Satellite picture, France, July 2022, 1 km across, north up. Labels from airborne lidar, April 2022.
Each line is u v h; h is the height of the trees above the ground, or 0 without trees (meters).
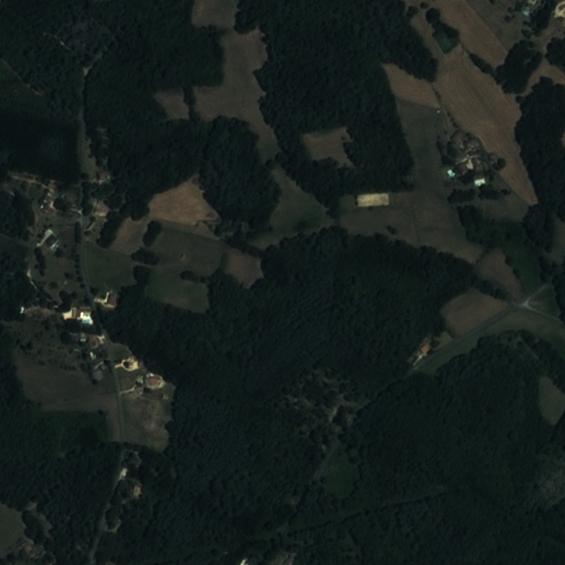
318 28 16
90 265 0
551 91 6
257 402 14
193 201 0
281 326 16
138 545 15
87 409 0
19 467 18
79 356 6
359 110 27
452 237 0
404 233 0
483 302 0
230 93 0
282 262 20
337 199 19
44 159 19
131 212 16
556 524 14
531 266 0
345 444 24
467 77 0
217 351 26
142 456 20
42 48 15
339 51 20
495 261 0
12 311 15
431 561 20
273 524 17
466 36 0
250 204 26
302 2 20
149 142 17
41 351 7
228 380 15
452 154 12
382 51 25
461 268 12
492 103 0
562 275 13
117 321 15
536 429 12
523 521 17
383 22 25
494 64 0
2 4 10
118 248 0
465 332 0
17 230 15
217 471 20
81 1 9
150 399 0
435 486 7
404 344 28
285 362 16
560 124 14
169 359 21
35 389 0
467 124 0
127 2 19
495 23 0
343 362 12
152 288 0
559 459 10
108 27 16
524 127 23
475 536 14
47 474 16
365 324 23
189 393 19
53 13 12
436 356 0
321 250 26
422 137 0
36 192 0
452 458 13
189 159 25
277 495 10
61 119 17
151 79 22
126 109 25
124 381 0
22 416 10
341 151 0
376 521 19
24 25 9
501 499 20
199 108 0
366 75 22
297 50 17
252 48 0
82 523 16
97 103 16
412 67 13
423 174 0
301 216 0
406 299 18
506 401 17
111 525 16
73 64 24
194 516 24
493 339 10
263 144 0
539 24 15
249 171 20
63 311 10
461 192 16
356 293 14
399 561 16
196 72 18
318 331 14
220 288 15
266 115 11
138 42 12
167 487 14
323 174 21
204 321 18
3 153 22
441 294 10
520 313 0
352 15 27
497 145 0
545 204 17
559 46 14
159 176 22
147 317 21
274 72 20
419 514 26
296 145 19
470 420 15
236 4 0
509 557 18
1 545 0
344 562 17
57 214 0
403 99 0
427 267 17
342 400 0
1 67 0
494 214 0
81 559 7
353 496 14
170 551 19
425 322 19
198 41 16
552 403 0
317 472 0
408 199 0
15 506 17
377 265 9
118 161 16
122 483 8
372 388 13
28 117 19
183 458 22
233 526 20
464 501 22
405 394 21
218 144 28
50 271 0
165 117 14
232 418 16
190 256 0
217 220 0
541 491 10
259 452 21
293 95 21
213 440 21
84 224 0
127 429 0
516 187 0
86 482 23
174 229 0
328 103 20
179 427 21
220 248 0
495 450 17
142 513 8
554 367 12
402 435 13
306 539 18
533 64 10
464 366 23
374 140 18
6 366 18
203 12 0
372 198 0
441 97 0
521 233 7
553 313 0
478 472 15
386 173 20
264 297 15
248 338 17
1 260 8
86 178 23
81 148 0
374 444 12
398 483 16
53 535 12
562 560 17
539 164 25
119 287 0
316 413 19
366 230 0
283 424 18
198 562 20
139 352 16
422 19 0
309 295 15
